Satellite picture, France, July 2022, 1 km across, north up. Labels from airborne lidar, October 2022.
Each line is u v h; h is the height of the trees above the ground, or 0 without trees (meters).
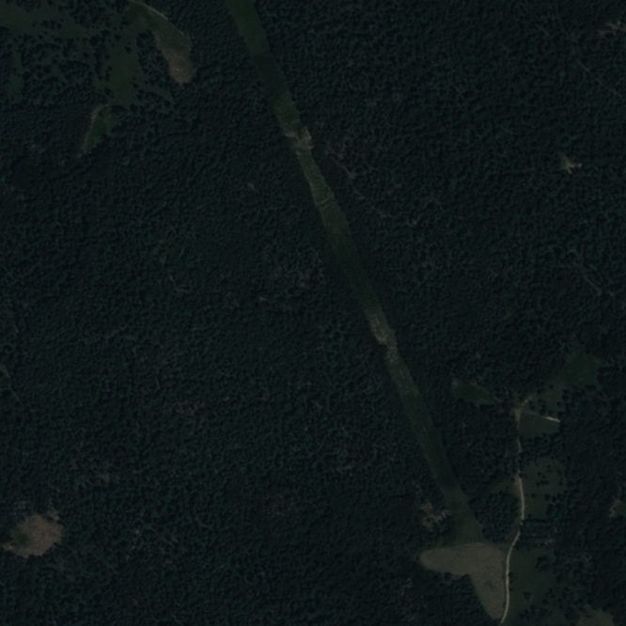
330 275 17
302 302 22
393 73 29
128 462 19
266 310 24
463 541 0
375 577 17
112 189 17
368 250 17
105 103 30
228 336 11
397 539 18
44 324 19
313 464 27
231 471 19
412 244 13
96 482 26
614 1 27
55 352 14
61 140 23
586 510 19
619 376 26
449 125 29
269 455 19
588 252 25
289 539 22
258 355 17
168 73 25
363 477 23
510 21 25
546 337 12
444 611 20
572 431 22
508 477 14
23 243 26
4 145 28
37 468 25
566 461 13
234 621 26
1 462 24
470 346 20
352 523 25
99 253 20
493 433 26
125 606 21
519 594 0
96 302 20
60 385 19
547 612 14
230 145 21
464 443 18
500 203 22
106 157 33
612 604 16
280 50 16
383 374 14
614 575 27
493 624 10
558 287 22
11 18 0
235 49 23
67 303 14
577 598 18
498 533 17
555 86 8
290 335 16
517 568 0
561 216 23
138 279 23
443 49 20
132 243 19
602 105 13
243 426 19
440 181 21
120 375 23
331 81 22
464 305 22
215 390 17
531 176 19
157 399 24
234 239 15
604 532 22
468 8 10
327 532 15
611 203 23
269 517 24
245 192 19
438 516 17
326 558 10
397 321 13
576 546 24
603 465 26
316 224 15
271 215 14
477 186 26
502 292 24
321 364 15
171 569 20
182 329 14
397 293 10
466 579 9
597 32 22
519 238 15
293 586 24
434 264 7
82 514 26
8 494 29
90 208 28
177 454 19
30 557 0
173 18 18
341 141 20
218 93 24
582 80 12
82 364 19
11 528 28
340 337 29
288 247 14
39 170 21
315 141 11
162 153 18
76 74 24
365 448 20
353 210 15
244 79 18
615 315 26
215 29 27
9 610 28
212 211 15
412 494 23
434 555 0
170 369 16
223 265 13
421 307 19
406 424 13
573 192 21
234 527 25
